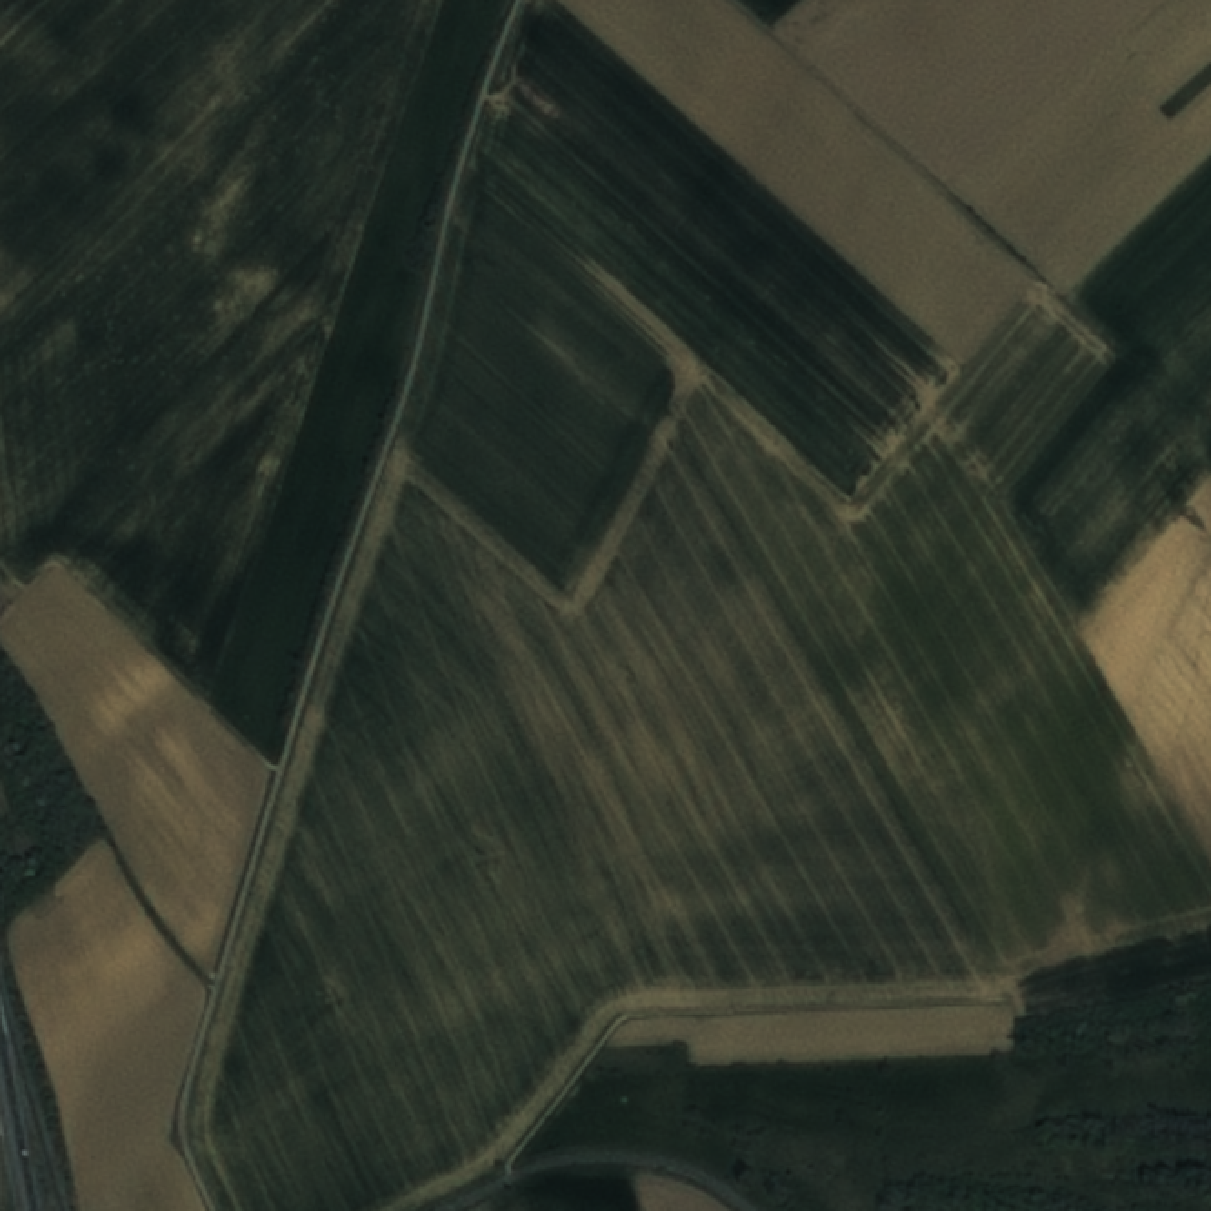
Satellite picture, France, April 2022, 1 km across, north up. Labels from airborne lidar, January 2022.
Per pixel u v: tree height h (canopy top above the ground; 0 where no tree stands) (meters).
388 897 0
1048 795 0
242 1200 0
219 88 0
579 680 0
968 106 0
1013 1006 0
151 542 0
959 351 0
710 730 0
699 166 0
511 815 0
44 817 10
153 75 0
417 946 0
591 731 0
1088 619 0
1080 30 0
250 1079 0
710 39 0
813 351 0
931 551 0
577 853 0
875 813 0
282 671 0
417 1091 0
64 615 0
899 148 0
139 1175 0
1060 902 0
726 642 0
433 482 0
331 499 0
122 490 0
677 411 0
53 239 0
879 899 0
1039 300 0
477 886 0
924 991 0
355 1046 0
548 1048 0
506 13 0
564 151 0
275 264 0
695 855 0
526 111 0
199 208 0
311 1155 0
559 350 0
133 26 0
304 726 0
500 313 0
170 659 0
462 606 0
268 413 0
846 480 0
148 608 0
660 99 0
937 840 0
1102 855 0
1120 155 0
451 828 0
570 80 0
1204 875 0
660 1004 0
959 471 0
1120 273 0
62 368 0
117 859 0
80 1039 0
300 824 0
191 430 0
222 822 0
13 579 0
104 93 0
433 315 0
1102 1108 0
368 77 0
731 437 0
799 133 0
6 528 0
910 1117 0
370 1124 0
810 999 0
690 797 0
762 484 0
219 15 0
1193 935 0
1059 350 0
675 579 0
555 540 0
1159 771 0
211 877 0
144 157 0
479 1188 0
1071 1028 6
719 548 0
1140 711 0
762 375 0
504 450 0
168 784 0
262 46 0
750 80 0
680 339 0
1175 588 0
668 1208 0
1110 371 0
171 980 0
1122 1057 18
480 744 0
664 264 0
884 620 0
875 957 0
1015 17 0
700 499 0
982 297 0
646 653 0
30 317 0
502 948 0
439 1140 0
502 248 0
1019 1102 0
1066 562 0
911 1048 0
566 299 0
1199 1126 18
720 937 0
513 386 0
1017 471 0
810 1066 0
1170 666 0
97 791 0
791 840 0
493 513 0
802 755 0
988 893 0
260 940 0
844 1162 0
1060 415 0
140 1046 0
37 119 0
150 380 0
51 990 0
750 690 0
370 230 0
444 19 0
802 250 0
